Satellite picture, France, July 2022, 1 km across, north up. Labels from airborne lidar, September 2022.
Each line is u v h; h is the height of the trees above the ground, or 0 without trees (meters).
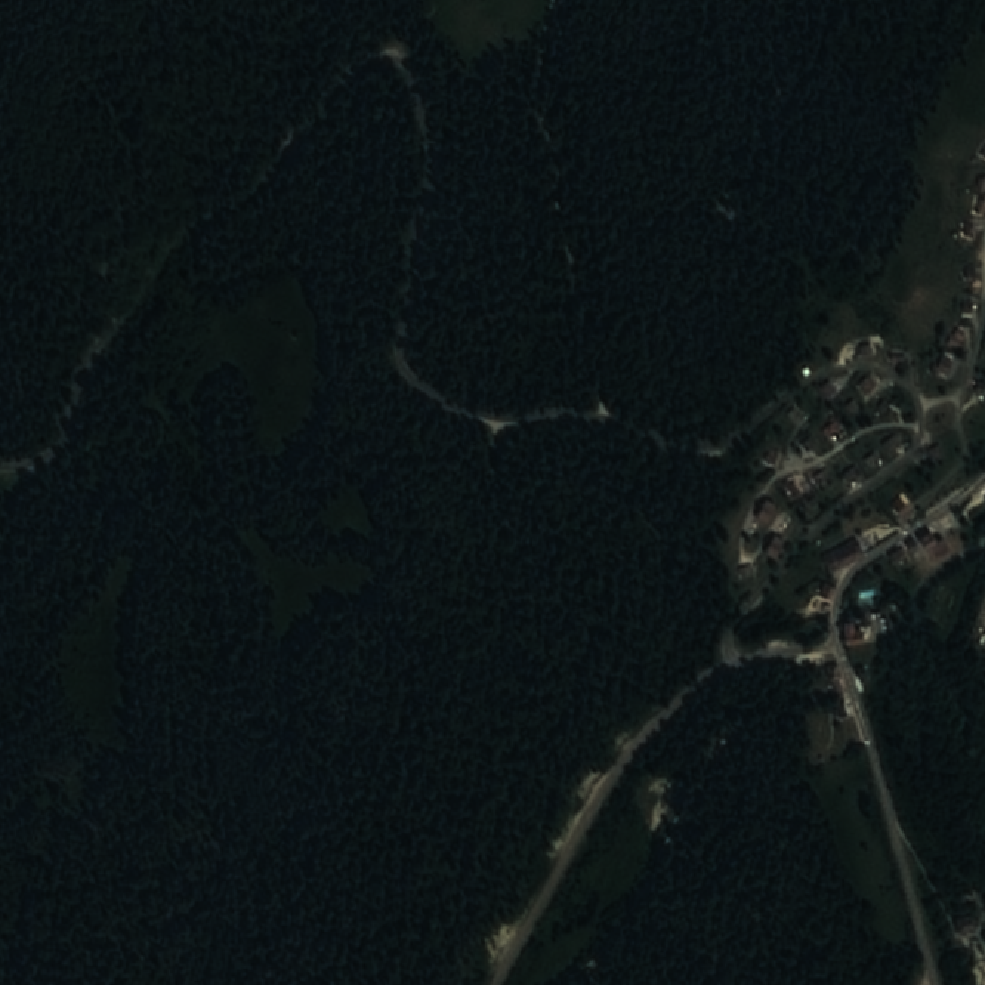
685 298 19
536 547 20
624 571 18
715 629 13
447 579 17
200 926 31
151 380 7
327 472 20
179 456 9
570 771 24
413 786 29
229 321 0
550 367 11
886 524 0
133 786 33
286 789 14
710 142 19
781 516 0
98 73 25
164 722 24
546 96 22
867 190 28
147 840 36
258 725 30
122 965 18
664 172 16
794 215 24
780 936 23
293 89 24
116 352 11
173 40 22
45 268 25
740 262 23
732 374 25
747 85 13
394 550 22
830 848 24
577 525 13
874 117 32
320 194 31
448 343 23
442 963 15
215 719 35
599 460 20
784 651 0
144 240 8
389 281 14
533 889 7
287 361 0
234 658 22
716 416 23
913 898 0
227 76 20
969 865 23
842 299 11
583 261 14
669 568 32
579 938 0
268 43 30
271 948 24
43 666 8
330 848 23
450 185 18
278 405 0
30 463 0
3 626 37
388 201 30
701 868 22
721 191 11
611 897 0
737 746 25
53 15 16
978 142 0
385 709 23
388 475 30
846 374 0
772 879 21
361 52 26
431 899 13
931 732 17
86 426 26
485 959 7
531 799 23
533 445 10
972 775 17
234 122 29
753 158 10
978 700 18
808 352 12
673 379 19
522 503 16
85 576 15
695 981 15
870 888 0
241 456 18
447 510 12
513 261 20
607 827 8
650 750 15
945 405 0
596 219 16
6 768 29
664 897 8
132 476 38
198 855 26
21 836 23
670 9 20
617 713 19
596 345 23
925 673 18
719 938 10
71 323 24
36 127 13
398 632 23
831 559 0
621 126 19
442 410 26
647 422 22
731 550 0
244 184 22
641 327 18
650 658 21
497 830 8
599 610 29
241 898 27
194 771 32
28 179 16
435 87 29
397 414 22
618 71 23
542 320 14
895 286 0
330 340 30
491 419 0
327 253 25
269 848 19
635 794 6
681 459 25
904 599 18
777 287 27
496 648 13
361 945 28
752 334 27
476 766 15
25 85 19
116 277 8
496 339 27
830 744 0
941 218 0
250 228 20
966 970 7
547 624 17
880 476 0
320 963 17
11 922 6
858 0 19
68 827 25
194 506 7
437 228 18
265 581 6
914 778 11
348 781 18
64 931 26
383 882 13
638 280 20
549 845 9
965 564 11
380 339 33
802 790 22
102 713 0
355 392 18
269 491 21
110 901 14
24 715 14
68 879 23
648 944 24
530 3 0
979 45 0
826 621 9
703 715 30
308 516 25
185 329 6
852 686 0
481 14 0
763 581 0
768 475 8
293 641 16
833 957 16
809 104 29
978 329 0
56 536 36
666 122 22
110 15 14
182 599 20
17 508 27
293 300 0
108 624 0
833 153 23
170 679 24
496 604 24
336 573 0
